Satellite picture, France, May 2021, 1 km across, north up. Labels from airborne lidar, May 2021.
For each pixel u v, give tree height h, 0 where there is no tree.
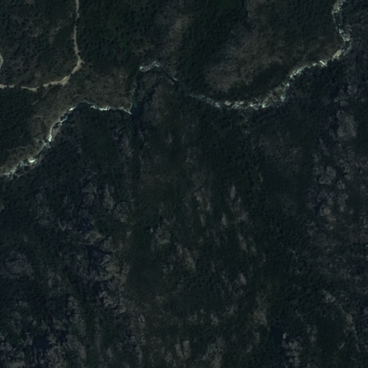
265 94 16
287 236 15
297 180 6
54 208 10
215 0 14
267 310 8
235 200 7
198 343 8
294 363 7
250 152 22
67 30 8
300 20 16
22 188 10
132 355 6
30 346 8
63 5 10
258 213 19
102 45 25
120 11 7
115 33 16
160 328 7
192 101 24
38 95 8
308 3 22
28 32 15
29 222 14
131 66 20
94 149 7
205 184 6
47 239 14
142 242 10
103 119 10
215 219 10
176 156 11
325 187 6
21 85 15
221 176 9
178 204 11
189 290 6
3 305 9
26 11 20
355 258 6
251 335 11
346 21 22
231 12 9
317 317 10
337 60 20
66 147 10
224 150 25
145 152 7
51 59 15
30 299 10
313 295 29
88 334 7
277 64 9
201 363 9
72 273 13
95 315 6
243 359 12
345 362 16
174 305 14
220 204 10
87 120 15
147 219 6
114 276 8
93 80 7
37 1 19
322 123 8
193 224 7
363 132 8
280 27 13
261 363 8
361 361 15
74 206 6
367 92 10
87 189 0
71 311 6
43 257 8
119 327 13
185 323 10
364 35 7
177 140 11
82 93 11
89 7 23
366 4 8
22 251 6
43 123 8
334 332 12
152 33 18
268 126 10
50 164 7
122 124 11
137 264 7
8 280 16
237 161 28
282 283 11
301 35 13
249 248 9
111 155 9
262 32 11
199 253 6
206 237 8
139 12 7
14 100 19
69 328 19
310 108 10
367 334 9
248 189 10
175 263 9
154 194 6
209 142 7
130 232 6
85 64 11
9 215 16
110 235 7
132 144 13
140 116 10
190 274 24
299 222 11
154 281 6
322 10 8
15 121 20
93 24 7
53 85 15
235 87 6
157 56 13
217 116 27
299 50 6
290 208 6
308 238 9
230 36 9
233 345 10
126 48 14
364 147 9
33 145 7
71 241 7
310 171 7
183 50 26
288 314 12
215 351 7
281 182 12
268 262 12
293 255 19
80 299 9
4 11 16
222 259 12
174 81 0
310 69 0
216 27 22
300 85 7
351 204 6
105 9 7
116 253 9
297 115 7
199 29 23
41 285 7
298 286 10
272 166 8
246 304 6
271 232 15
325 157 7
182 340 7
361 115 8
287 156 6
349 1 25
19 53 19
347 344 10
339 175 7
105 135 7
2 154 17
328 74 11
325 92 8
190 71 15
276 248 11
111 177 10
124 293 9
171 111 7
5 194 21
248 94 6
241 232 7
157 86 11
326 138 8
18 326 8
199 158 10
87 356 7
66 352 7
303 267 16
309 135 7
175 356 7
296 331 9
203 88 22
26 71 17
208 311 5
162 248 8
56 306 7
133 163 6
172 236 11
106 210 6
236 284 10
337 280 6
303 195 8
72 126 11
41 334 14
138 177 10
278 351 10
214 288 22
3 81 16
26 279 12
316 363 7
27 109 13
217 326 12
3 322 11
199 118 7
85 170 9
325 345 10
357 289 11
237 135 9
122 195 6
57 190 7
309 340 8
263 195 30
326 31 14
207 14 15
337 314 9
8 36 16
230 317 6
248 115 23
